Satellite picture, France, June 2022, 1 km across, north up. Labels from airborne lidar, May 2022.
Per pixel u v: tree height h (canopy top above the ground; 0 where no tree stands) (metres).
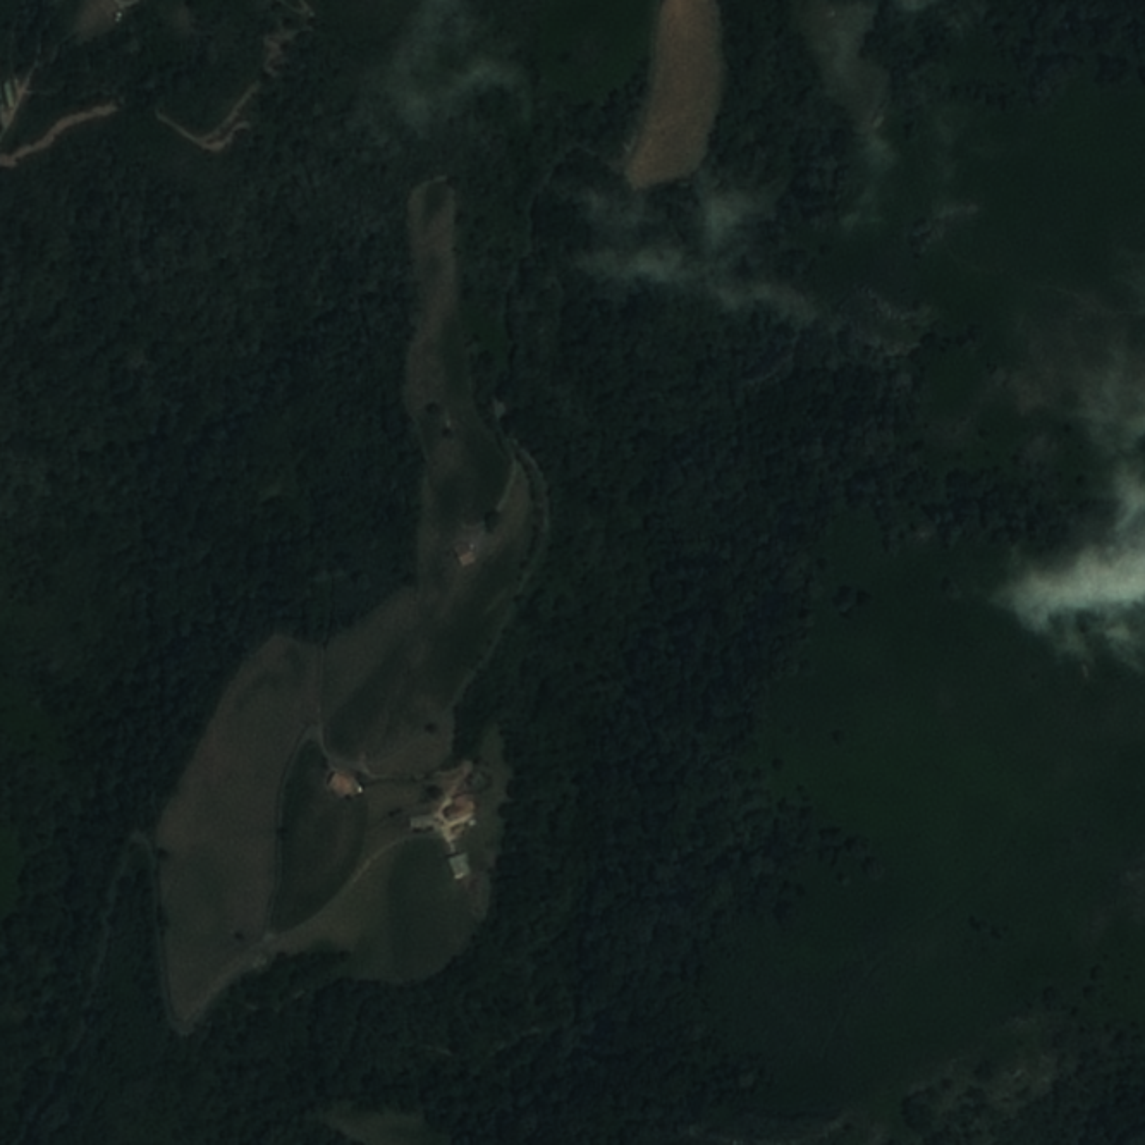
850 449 19
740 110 16
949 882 0
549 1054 27
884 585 0
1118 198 0
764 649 21
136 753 20
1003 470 8
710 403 18
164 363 22
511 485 0
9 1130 22
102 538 9
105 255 10
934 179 0
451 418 0
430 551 0
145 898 9
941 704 0
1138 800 0
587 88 0
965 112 0
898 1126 0
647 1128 8
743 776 10
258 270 16
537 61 6
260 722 0
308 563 8
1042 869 0
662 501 19
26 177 7
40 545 11
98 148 8
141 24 5
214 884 0
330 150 7
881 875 9
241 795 0
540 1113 27
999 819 0
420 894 0
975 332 12
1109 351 0
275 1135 18
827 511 15
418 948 0
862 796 0
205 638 27
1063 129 0
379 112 6
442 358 0
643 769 19
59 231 11
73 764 12
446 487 0
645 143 0
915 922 0
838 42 0
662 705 27
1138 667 0
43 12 13
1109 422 0
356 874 0
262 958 0
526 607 10
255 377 23
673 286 15
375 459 7
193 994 0
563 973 11
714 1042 10
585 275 13
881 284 0
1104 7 19
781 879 8
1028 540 6
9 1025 18
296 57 13
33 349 16
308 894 0
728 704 21
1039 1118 25
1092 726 0
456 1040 18
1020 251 0
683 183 8
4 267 14
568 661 19
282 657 0
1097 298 0
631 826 23
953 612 0
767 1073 10
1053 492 13
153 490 22
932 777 0
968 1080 0
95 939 20
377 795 0
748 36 20
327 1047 25
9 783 11
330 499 18
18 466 14
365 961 0
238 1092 29
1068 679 0
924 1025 0
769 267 20
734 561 20
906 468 13
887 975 0
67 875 11
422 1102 6
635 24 0
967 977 0
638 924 18
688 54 0
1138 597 0
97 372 32
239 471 10
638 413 11
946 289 0
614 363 24
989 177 0
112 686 11
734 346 26
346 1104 22
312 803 0
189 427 24
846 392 14
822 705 0
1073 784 0
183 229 9
